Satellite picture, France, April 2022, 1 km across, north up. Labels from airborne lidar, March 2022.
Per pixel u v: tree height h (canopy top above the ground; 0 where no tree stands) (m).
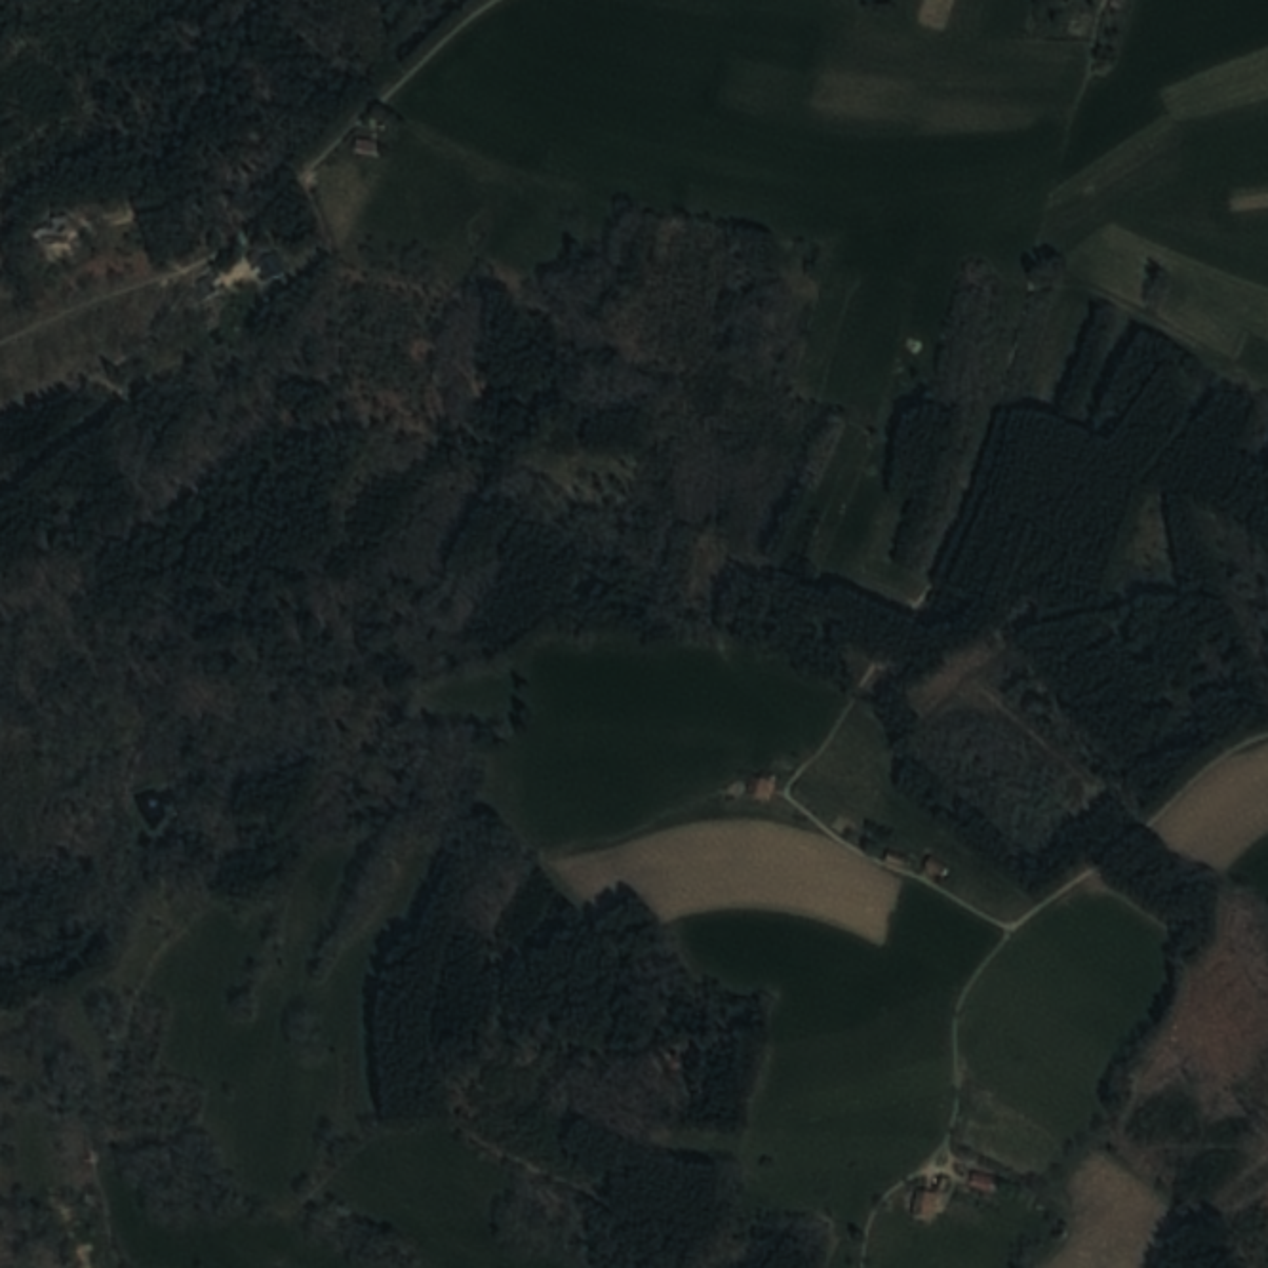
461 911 21
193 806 21
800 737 0
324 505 28
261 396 24
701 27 0
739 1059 25
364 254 12
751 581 26
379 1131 16
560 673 0
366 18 8
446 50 0
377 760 24
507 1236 21
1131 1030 0
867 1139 0
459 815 26
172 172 22
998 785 12
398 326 9
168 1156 22
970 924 0
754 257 19
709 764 0
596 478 10
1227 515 24
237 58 26
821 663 23
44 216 13
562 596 26
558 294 26
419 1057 28
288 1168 0
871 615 25
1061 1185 12
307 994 0
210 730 20
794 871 0
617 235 20
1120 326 17
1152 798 25
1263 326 0
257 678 19
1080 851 17
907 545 11
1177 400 25
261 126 28
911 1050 0
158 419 24
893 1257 0
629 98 0
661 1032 26
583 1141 26
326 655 20
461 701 0
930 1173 0
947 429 21
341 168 0
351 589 18
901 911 0
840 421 22
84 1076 22
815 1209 0
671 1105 26
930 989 0
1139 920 0
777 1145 0
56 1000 14
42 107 7
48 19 8
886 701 20
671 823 0
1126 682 28
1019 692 17
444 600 17
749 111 0
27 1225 18
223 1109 0
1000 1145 0
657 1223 28
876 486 0
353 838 16
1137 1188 0
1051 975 0
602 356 22
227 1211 21
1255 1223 7
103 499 25
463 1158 0
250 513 31
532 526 23
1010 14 0
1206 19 0
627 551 16
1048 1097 0
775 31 0
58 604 22
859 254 0
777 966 0
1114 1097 22
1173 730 11
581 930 24
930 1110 0
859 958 0
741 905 0
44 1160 0
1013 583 27
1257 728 18
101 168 25
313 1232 16
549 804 0
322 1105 0
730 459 10
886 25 0
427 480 11
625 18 0
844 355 0
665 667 0
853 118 0
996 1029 0
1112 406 21
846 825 0
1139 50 0
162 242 23
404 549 14
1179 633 26
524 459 11
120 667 20
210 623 27
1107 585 26
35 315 28
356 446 29
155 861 22
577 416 21
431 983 26
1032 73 0
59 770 17
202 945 0
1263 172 0
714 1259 21
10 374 0
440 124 0
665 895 0
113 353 0
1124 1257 0
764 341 22
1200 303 0
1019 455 25
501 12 0
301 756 23
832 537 0
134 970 0
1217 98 0
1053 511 28
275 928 13
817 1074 0
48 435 23
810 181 0
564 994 22
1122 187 0
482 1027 21
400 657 15
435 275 10
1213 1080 0
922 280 0
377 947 0
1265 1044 0
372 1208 0
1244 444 20
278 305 23
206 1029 0
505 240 0
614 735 0
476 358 28
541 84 0
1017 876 23
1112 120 0
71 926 23
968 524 13
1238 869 0
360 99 21
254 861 16
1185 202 0
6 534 18
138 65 24
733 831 0
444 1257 0
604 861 0
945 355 13
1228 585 7
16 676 23
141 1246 0
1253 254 0
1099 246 0
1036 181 0
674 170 0
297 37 25
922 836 0
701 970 0
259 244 22
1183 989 20
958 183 0
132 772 18
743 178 0
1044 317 10
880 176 0
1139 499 28
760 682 0
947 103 0
